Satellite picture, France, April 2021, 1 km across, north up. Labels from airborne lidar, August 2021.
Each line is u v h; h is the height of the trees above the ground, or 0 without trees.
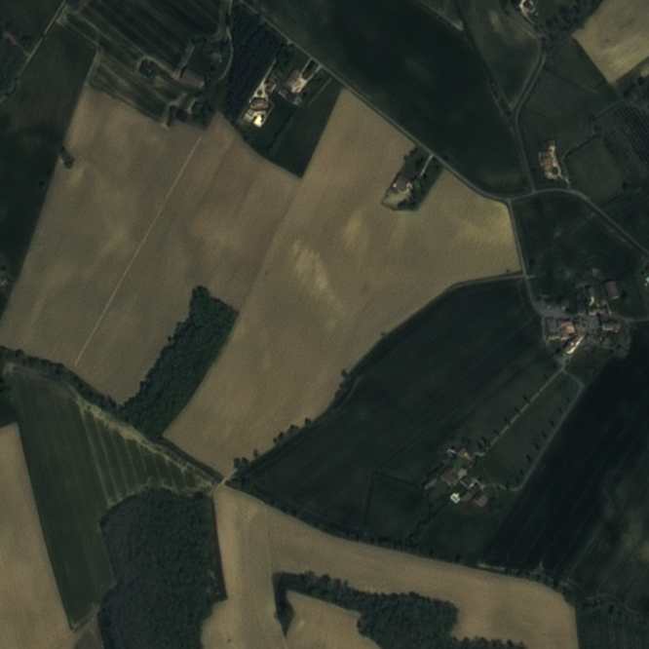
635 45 0
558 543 0
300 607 0
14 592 0
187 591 21
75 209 0
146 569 17
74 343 0
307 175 0
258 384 0
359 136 0
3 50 19
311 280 0
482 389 0
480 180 0
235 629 0
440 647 17
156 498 18
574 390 0
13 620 0
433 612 21
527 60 0
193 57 0
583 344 0
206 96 15
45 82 0
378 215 0
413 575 0
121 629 17
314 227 0
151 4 0
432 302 0
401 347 0
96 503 0
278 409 0
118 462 0
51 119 0
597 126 8
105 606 14
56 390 0
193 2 0
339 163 0
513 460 0
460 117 0
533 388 0
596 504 0
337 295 0
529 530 0
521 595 0
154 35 0
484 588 0
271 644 0
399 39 0
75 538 0
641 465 0
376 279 0
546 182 9
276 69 8
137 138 0
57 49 0
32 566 0
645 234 0
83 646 0
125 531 18
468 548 0
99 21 0
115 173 0
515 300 0
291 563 0
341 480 0
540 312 0
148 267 0
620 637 6
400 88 0
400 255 0
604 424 0
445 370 0
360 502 0
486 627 0
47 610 0
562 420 0
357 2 0
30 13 0
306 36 0
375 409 0
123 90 0
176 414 16
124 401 0
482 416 0
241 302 0
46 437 0
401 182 0
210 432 0
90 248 0
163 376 19
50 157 0
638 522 0
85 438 0
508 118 13
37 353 0
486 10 0
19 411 0
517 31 0
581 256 0
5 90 19
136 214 0
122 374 0
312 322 0
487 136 0
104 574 0
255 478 0
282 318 0
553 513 0
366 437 0
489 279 0
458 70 0
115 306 0
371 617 14
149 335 0
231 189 0
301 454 0
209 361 16
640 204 0
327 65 0
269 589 0
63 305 0
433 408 0
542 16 0
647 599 0
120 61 0
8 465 0
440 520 0
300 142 0
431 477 9
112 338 0
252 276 0
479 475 0
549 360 0
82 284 0
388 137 0
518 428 0
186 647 24
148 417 25
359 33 0
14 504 0
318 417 0
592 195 0
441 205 0
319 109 0
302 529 0
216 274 0
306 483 0
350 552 0
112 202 0
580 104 0
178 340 13
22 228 0
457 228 0
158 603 17
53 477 0
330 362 0
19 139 0
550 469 0
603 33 0
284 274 0
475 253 0
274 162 0
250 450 0
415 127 0
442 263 0
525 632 0
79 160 0
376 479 0
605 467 0
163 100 0
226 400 0
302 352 0
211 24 0
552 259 0
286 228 0
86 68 0
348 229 0
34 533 0
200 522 17
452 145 0
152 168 0
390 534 0
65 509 0
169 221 0
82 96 0
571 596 17
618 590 0
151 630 16
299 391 0
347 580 0
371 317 0
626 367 0
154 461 0
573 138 0
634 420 0
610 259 0
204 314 22
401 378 0
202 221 0
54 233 0
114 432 0
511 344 0
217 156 0
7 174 0
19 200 0
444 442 0
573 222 0
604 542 0
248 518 0
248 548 0
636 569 0
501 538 0
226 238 0
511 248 0
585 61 0
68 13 0
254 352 0
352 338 0
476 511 0
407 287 0
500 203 0
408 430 0
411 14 0
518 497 0
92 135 0
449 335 0
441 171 11
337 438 0
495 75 0
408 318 0
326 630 0
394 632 19
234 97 11
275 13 0
